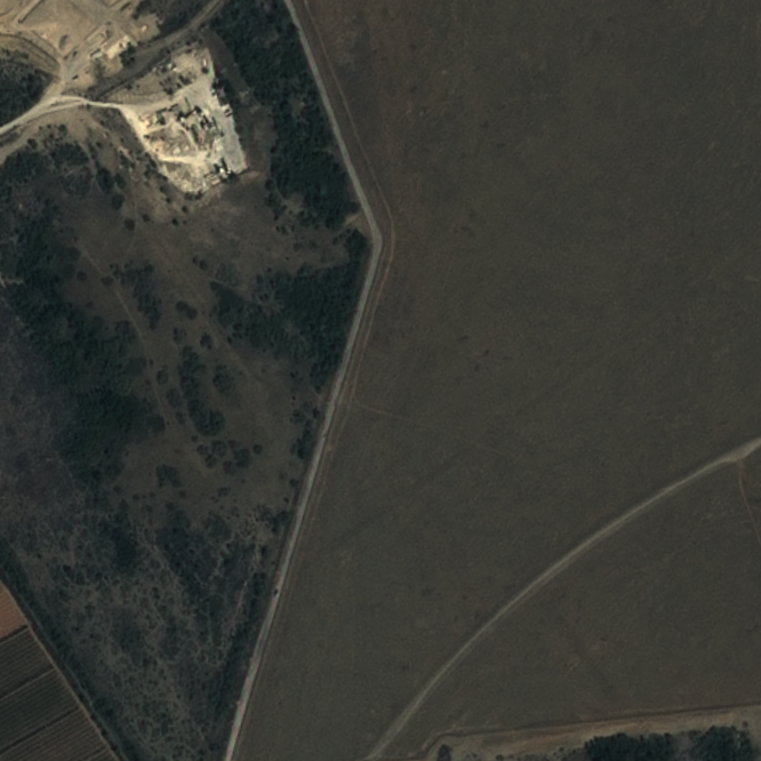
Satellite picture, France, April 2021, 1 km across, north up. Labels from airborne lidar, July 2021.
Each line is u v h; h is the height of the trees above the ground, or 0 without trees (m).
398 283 0
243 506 0
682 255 0
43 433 0
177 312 0
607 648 0
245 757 0
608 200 0
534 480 0
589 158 0
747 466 0
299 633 0
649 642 0
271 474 0
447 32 0
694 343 0
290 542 0
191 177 0
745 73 0
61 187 0
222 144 0
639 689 0
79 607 0
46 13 0
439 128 0
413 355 0
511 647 0
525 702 0
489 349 0
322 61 0
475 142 0
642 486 0
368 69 0
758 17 0
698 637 0
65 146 8
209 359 0
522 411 0
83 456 9
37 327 14
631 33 0
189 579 6
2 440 0
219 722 6
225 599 0
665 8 0
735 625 0
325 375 9
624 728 0
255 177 0
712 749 9
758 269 0
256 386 0
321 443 0
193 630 0
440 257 0
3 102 6
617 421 0
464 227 0
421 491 0
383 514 0
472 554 0
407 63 0
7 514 0
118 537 7
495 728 0
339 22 0
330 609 0
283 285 9
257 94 8
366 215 0
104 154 0
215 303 0
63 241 0
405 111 0
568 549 0
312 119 8
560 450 0
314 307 8
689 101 0
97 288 0
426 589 0
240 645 7
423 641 0
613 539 0
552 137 0
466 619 0
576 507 0
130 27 0
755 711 0
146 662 6
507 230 0
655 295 0
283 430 0
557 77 0
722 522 0
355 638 0
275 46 12
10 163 7
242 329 9
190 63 0
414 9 0
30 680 11
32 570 0
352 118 0
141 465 0
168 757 0
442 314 0
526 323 0
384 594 0
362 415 0
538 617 0
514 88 0
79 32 0
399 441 0
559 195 0
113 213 0
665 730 0
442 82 0
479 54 0
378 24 0
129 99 0
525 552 0
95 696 12
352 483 0
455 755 0
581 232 0
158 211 0
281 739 0
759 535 0
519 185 0
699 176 0
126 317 0
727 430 0
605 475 0
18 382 0
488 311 0
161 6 0
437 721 0
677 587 0
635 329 0
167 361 0
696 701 0
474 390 0
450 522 0
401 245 0
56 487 0
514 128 0
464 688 0
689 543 0
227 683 8
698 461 0
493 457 0
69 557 0
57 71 0
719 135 0
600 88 0
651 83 0
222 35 9
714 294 0
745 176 0
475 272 0
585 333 0
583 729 0
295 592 0
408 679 0
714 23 0
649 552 0
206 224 0
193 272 0
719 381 0
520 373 0
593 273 0
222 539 0
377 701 0
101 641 0
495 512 0
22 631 10
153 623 0
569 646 0
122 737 9
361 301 0
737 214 0
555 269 0
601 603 0
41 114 0
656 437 0
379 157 0
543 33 0
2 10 0
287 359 0
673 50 0
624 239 0
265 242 0
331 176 7
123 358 7
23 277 8
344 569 0
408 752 0
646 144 0
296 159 15
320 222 10
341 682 0
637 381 0
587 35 0
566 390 0
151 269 7
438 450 0
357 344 0
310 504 0
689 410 0
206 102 0
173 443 0
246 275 0
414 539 0
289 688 0
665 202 0
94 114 0
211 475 0
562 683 0
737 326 0
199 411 14
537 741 0
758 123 0
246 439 0
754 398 0
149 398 0
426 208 0
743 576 0
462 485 0
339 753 0
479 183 0
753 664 0
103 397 10
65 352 11
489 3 0
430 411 0
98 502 6
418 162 0
